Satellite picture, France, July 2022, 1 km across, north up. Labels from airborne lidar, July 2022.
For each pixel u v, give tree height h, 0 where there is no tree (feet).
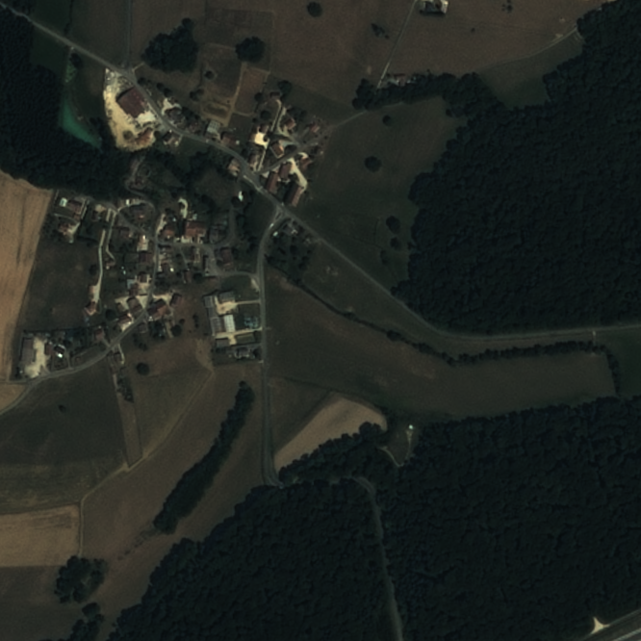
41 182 71
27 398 0
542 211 86
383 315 0
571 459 82
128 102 0
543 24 0
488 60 0
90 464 0
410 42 0
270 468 0
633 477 76
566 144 72
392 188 0
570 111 94
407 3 0
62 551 0
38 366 0
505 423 77
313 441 0
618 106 69
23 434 0
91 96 0
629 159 64
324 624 87
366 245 0
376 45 0
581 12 0
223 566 82
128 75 0
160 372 0
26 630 0
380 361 0
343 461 71
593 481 80
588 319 83
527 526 78
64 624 0
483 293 98
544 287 104
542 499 63
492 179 85
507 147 94
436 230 81
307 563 85
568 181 73
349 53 0
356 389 0
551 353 58
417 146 0
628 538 94
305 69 0
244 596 96
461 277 94
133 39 0
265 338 0
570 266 87
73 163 81
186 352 0
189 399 0
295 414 0
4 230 0
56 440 0
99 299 0
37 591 0
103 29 0
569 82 60
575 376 0
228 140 0
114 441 0
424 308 73
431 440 82
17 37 85
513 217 87
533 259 76
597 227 88
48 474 0
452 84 69
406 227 0
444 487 85
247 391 48
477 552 77
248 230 33
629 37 68
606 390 0
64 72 0
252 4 0
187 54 59
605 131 89
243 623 82
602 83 75
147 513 0
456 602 73
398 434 0
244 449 0
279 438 0
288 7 0
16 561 0
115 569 0
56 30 0
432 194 96
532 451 90
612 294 68
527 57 0
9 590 0
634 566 91
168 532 78
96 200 37
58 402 0
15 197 0
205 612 79
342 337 0
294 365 0
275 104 0
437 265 94
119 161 65
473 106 75
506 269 97
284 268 39
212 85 0
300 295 0
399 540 91
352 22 0
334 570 94
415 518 86
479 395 0
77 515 0
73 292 0
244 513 83
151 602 69
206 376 0
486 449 94
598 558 69
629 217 84
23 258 0
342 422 0
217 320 0
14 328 0
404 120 0
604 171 88
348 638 83
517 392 0
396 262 0
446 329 48
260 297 0
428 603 85
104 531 0
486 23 0
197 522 0
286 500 80
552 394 0
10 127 75
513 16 0
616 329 0
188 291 0
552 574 81
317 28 0
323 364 0
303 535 88
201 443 0
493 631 61
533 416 70
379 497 39
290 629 93
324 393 0
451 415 0
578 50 0
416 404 0
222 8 0
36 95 92
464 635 78
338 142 0
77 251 0
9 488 0
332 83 0
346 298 0
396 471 92
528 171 83
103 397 0
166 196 0
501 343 0
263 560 74
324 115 0
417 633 62
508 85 0
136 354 0
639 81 77
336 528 43
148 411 0
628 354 0
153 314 0
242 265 0
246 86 0
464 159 67
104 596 0
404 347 0
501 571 80
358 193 0
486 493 70
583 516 80
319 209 0
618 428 102
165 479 0
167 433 0
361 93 43
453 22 0
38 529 0
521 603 78
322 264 0
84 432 0
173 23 0
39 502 0
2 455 0
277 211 0
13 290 0
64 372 0
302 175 0
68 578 64
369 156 0
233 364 0
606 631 0
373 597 92
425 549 86
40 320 0
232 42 0
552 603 86
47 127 106
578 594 70
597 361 0
